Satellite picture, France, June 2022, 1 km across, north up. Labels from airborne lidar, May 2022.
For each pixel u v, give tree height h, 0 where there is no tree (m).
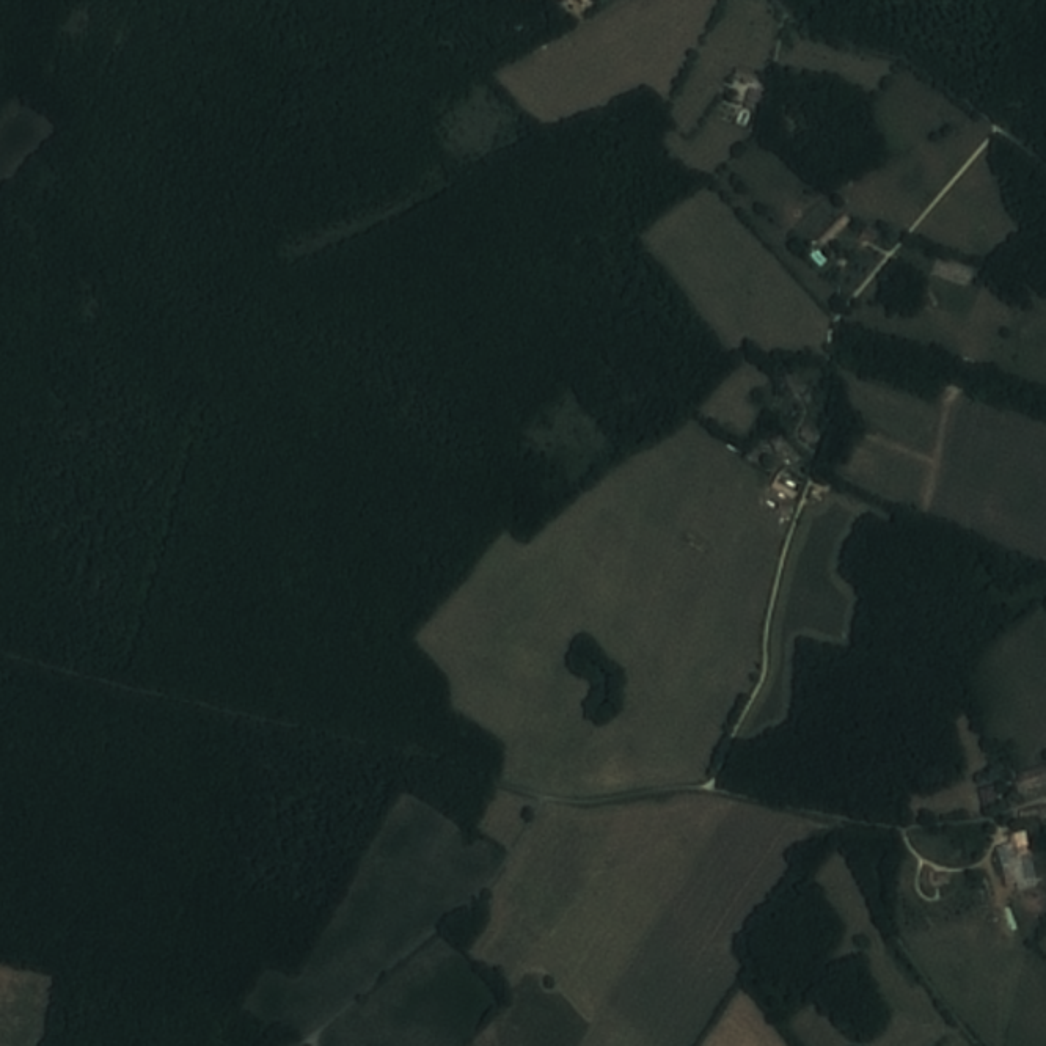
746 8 0
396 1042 0
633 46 0
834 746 19
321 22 11
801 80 14
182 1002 14
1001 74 9
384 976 10
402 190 12
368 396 13
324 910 15
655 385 15
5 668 13
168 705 11
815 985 18
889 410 0
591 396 15
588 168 9
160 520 7
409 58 15
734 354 10
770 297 0
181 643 11
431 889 0
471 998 0
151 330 9
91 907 15
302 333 10
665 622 0
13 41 9
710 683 0
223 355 11
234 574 12
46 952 13
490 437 14
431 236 12
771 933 21
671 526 0
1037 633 0
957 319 0
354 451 12
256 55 10
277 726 8
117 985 16
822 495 0
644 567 0
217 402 11
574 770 0
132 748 10
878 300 11
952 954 0
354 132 12
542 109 0
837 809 13
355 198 10
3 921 14
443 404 12
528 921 0
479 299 14
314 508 10
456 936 15
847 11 13
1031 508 0
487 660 0
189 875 13
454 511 16
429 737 11
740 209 13
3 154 0
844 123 10
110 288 8
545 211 11
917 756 18
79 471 11
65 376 10
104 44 7
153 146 8
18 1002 0
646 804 0
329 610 13
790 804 12
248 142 10
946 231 0
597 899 0
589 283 8
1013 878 0
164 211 8
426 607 13
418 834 0
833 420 16
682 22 0
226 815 9
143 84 7
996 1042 0
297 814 15
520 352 12
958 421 0
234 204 12
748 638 0
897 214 0
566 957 0
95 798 12
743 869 0
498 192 13
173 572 12
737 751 16
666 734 0
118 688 7
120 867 16
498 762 11
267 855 15
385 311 12
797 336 0
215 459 8
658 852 0
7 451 13
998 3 12
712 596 0
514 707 0
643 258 13
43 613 10
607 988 0
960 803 0
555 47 0
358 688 12
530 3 10
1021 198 12
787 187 0
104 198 7
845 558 16
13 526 12
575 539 0
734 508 0
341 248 13
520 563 0
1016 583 9
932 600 18
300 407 12
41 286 7
